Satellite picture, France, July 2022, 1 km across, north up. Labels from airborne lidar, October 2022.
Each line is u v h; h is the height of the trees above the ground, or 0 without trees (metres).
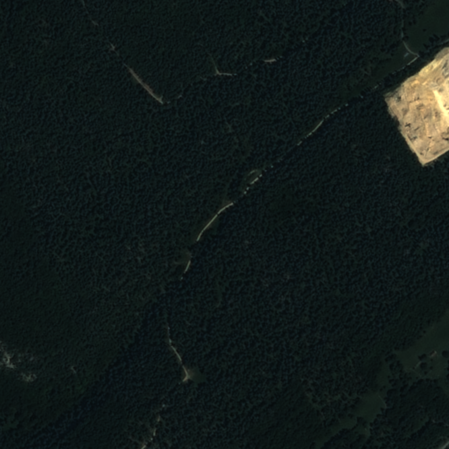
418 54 0
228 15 13
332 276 18
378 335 28
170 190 17
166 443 6
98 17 17
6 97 14
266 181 26
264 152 22
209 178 20
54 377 15
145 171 19
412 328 16
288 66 26
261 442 18
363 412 0
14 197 19
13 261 21
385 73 0
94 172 14
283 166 32
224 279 18
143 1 15
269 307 26
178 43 16
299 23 25
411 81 0
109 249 15
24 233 19
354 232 20
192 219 25
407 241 28
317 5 25
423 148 0
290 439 19
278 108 16
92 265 19
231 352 25
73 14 19
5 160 23
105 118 6
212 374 18
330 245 7
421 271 10
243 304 18
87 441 24
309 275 29
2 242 31
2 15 18
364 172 23
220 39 14
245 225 23
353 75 20
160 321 25
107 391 26
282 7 18
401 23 11
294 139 10
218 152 18
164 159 15
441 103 0
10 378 19
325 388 24
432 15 0
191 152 21
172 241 19
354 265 17
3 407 21
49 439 21
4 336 15
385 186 16
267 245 20
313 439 18
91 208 19
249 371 18
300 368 28
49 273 17
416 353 0
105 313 11
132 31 13
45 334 17
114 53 19
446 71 0
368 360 20
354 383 21
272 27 25
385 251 12
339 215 16
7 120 8
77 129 18
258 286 29
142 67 11
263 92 12
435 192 21
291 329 21
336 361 20
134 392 20
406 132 0
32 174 12
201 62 9
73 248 20
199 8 11
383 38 25
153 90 8
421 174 17
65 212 19
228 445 25
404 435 21
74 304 13
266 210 16
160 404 23
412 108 0
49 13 13
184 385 11
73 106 17
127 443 22
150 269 16
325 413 18
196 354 25
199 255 12
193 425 19
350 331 14
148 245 18
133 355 16
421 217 23
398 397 10
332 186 14
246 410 26
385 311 17
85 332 18
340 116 25
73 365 14
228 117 19
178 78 16
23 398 26
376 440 20
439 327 0
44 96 14
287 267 20
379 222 25
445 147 0
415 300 21
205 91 23
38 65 16
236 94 25
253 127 20
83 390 22
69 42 14
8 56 21
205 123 22
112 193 21
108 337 21
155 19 16
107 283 15
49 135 15
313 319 18
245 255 20
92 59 15
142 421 26
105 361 27
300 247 18
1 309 21
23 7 16
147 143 23
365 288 21
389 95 0
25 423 27
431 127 0
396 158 22
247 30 16
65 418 29
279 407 19
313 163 15
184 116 21
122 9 12
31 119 16
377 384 10
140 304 11
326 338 19
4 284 17
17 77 16
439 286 25
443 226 16
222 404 30
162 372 10
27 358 9
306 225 28
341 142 20
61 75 14
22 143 16
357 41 26
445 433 15
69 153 18
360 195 16
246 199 18
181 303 14
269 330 19
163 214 22
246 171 25
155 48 23
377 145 17
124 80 18
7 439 25
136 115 15
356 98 0
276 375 20
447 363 0
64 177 21
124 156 12
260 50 21
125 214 15
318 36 28
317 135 15
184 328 22
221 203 8
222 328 18
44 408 30
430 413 21
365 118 25
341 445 16
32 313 18
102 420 25
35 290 17
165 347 19
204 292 15
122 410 20
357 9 24
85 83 16
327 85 25
